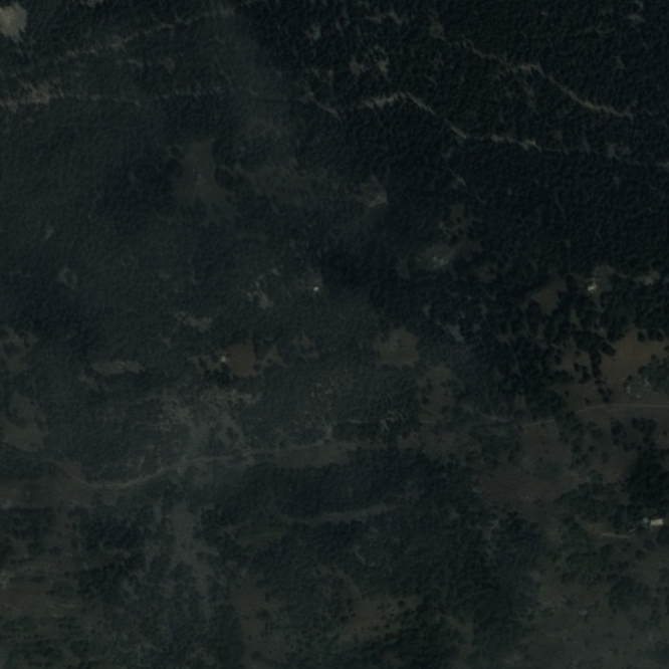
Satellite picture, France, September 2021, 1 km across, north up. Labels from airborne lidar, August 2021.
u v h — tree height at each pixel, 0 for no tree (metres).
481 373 27
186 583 9
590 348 8
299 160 21
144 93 17
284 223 9
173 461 17
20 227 17
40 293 17
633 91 12
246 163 19
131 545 9
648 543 8
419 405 16
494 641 14
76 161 14
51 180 15
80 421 14
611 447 0
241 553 8
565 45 7
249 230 16
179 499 5
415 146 22
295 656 10
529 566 17
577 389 0
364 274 14
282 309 16
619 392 0
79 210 19
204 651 5
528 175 20
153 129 24
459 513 9
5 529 14
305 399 10
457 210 0
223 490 12
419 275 14
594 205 17
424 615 21
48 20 14
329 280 14
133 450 10
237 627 14
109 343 19
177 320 7
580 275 17
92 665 13
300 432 7
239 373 0
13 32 0
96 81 13
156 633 13
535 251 11
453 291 14
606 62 23
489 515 7
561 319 13
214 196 0
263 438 10
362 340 22
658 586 7
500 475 0
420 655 15
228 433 6
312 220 16
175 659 8
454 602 15
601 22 22
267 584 13
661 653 8
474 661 12
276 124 18
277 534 8
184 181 0
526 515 0
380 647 11
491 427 6
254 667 0
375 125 26
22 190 17
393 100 0
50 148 8
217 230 14
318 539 12
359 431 15
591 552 10
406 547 11
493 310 26
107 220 21
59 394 21
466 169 28
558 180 16
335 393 10
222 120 16
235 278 14
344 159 23
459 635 13
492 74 17
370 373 11
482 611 16
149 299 14
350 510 9
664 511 9
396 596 24
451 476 13
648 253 20
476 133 16
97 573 13
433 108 8
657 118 8
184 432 9
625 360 0
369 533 11
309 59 25
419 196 15
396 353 0
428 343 11
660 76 13
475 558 10
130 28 15
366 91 19
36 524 14
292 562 15
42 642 8
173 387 14
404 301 13
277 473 12
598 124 19
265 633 7
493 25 16
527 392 12
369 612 0
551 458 0
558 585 0
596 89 22
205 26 22
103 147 21
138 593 11
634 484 20
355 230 30
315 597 12
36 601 0
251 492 15
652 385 11
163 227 14
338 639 11
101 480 8
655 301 11
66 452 11
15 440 0
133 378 15
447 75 20
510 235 9
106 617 11
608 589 0
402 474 19
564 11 22
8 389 26
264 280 7
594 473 8
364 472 10
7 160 18
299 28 21
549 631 0
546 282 19
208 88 16
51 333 15
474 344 11
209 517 11
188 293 13
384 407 14
